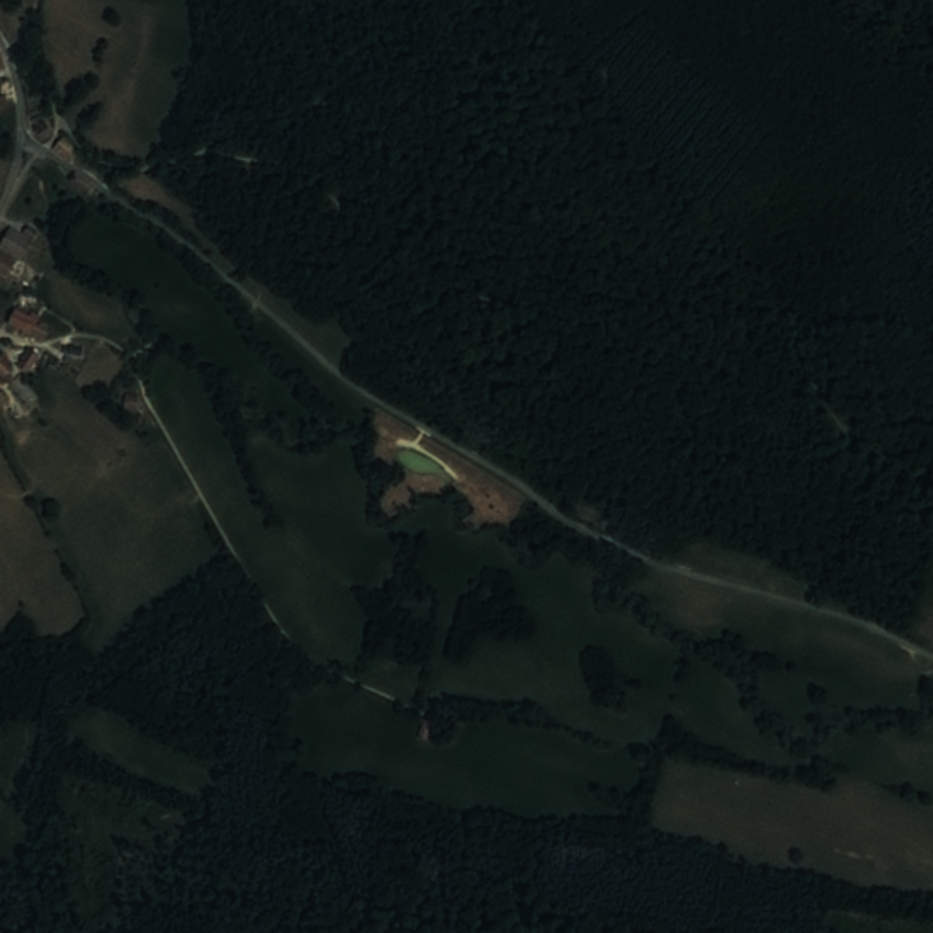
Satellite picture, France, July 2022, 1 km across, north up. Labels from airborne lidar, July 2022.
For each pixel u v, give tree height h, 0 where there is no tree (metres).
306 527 0
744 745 0
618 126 25
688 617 0
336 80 21
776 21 15
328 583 0
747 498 27
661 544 21
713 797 0
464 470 0
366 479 10
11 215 0
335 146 27
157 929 26
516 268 27
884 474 31
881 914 19
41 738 13
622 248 24
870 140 13
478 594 7
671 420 26
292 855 33
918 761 0
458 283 27
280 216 25
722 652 20
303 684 25
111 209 10
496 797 0
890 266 7
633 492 22
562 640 0
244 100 9
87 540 0
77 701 21
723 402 22
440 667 0
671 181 19
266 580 0
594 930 32
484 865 30
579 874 25
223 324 0
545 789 0
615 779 0
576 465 20
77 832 19
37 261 0
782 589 0
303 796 21
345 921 35
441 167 27
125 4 0
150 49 0
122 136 0
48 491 0
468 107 26
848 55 14
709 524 21
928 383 16
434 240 30
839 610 0
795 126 16
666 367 26
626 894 28
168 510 0
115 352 7
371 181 26
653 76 14
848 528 31
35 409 0
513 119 28
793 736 23
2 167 0
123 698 16
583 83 17
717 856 24
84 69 0
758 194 12
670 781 0
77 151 11
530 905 24
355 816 24
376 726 0
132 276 0
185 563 0
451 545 0
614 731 0
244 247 25
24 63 27
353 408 0
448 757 0
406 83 21
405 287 28
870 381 26
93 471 0
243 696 22
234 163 12
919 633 0
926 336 8
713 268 28
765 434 25
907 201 16
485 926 7
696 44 13
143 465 0
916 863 0
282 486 0
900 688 0
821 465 23
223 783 29
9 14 18
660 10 12
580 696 0
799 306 9
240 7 21
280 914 30
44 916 34
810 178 10
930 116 16
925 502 27
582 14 10
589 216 25
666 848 29
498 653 0
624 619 0
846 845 0
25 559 0
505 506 0
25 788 26
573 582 0
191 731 15
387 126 21
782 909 22
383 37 24
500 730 0
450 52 26
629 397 27
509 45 29
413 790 0
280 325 0
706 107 14
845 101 16
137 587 0
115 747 0
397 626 11
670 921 27
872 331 29
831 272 14
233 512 0
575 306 27
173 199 18
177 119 17
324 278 25
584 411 28
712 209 11
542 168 26
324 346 0
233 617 20
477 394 23
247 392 19
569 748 0
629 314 31
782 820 0
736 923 27
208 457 0
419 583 8
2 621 0
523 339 32
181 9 0
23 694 6
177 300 0
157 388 0
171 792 9
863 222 11
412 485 0
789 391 20
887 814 0
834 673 0
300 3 26
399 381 18
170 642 9
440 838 20
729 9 14
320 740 0
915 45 15
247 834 30
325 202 13
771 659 16
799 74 14
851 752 0
